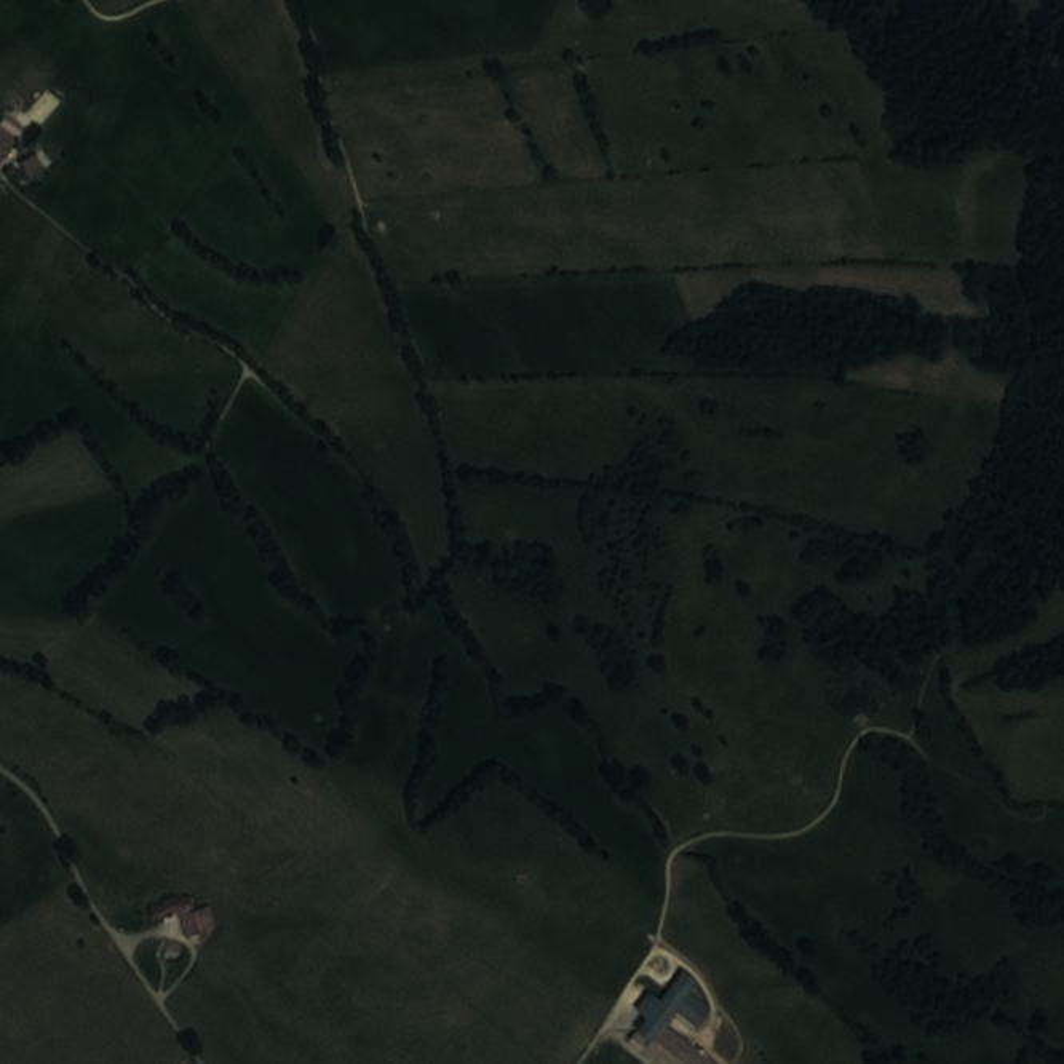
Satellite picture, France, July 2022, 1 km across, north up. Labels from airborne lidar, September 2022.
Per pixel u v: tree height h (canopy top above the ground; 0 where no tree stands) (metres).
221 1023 0
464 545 19
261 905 0
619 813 0
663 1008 0
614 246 0
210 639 0
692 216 0
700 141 0
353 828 0
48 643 0
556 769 0
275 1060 0
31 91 0
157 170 0
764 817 0
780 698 0
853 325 11
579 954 0
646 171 0
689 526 0
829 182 0
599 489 7
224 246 0
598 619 0
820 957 0
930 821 10
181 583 21
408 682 0
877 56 21
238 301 0
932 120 11
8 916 0
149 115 0
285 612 0
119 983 0
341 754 11
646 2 0
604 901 0
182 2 0
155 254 0
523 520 0
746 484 0
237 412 0
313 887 0
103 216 0
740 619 0
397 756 0
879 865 0
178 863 0
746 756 0
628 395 0
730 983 0
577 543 0
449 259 0
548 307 0
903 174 0
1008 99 30
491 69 16
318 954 0
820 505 0
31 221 0
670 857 0
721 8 0
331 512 0
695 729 0
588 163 0
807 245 0
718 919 0
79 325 0
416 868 0
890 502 0
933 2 24
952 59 11
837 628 14
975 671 0
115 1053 0
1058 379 14
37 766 0
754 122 0
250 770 0
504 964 0
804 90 0
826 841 0
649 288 0
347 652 0
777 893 0
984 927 0
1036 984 0
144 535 21
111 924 0
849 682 0
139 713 0
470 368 0
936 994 11
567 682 0
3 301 0
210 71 0
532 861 0
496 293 0
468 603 0
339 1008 0
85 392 0
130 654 0
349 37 0
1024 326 17
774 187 0
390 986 0
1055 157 27
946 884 0
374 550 0
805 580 0
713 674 0
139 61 0
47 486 0
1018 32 7
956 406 0
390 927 0
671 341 7
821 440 0
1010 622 12
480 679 0
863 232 0
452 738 0
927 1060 7
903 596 20
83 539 0
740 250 0
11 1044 0
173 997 0
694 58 0
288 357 0
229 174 0
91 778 0
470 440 0
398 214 0
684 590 0
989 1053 0
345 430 0
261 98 0
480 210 0
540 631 0
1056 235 19
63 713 0
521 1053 0
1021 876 14
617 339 0
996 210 0
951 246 0
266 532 12
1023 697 0
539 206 0
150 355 0
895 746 8
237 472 0
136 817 0
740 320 10
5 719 0
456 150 0
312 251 0
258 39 0
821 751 0
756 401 0
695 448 0
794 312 7
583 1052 0
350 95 0
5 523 0
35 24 0
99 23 0
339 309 0
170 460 0
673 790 0
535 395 0
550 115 0
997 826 0
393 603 0
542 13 0
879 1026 0
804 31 0
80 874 0
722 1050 0
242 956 0
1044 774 0
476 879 0
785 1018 0
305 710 0
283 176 0
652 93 0
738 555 0
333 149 17
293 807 0
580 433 0
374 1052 0
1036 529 11
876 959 7
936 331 20
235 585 0
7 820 0
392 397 0
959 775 0
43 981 0
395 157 0
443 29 0
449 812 11
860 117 0
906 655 16
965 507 7
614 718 0
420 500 0
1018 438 12
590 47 0
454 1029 0
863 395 0
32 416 0
